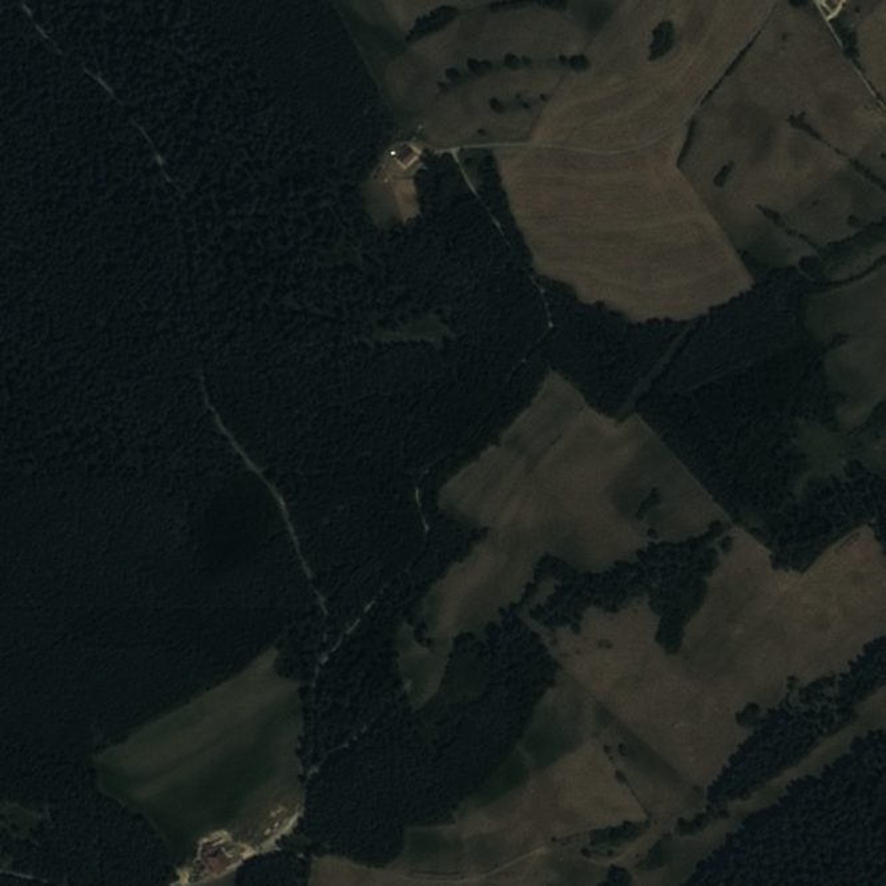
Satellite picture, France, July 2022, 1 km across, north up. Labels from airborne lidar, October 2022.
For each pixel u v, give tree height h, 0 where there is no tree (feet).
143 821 69
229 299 57
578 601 49
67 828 64
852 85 0
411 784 60
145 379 104
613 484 0
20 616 38
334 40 57
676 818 0
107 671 50
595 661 0
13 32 81
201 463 56
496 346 57
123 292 83
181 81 90
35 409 60
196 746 0
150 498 34
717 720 0
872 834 75
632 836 29
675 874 0
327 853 54
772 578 0
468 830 0
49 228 83
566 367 42
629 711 0
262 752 0
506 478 0
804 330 49
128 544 38
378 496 37
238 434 66
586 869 0
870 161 0
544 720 0
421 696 0
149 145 98
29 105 94
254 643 37
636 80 0
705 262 0
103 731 52
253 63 67
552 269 0
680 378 56
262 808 0
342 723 91
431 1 0
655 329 46
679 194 0
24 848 71
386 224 0
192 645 42
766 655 0
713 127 0
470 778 69
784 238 0
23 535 31
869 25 0
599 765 0
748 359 54
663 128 0
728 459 25
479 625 0
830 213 0
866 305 0
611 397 52
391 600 55
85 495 35
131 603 37
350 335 54
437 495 63
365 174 37
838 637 0
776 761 86
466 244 78
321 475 38
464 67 0
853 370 0
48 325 88
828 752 0
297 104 63
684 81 0
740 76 0
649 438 0
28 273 98
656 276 0
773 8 0
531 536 0
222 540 53
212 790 0
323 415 73
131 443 75
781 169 0
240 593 44
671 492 0
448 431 64
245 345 74
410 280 77
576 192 0
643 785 0
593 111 0
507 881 0
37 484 37
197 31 62
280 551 46
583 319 55
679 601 36
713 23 0
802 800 104
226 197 21
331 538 28
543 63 0
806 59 0
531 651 21
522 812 0
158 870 62
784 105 0
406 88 0
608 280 0
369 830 67
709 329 46
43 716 52
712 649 0
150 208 84
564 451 0
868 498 42
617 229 0
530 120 0
